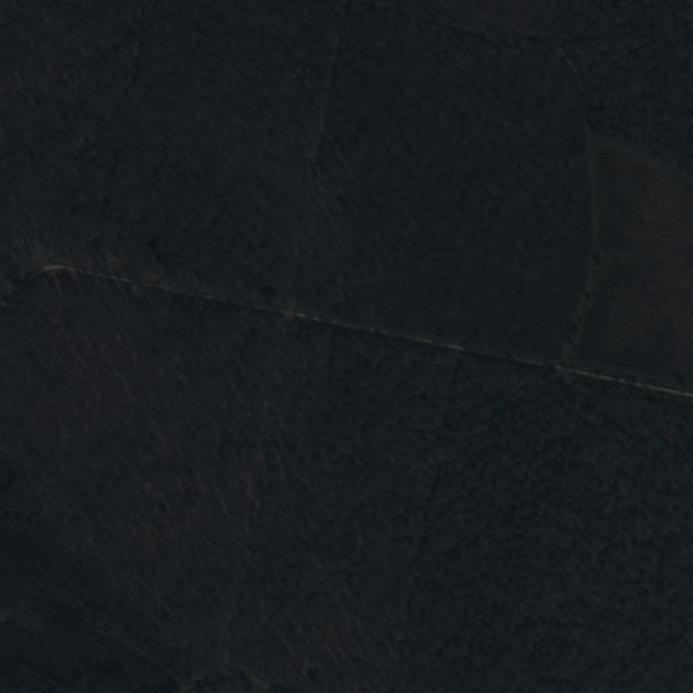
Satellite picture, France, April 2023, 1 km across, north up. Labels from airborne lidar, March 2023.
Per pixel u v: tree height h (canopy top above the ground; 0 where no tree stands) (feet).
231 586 82
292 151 84
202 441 88
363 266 73
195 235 76
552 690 84
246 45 83
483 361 84
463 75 87
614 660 82
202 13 82
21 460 93
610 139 75
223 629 81
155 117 83
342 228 84
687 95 78
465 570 81
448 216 79
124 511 87
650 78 73
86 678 64
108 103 80
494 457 91
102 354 94
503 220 94
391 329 77
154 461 79
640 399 89
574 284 54
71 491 91
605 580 81
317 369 97
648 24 86
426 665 79
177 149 89
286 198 76
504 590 81
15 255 76
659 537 82
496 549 68
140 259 91
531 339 79
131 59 81
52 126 84
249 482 102
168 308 78
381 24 87
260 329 82
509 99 77
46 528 77
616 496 89
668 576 79
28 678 87
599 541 107
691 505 65
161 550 80
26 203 80
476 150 86
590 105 73
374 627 65
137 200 79
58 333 89
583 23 84
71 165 89
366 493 89
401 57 85
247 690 66
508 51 84
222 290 69
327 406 75
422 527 44
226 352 96
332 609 81
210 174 73
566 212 82
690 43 75
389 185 79
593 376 0
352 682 85
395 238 75
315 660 84
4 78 91
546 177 80
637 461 57
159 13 84
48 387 89
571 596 65
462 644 80
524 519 71
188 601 85
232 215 80
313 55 86
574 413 86
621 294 0
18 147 90
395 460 89
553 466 69
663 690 79
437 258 84
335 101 87
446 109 83
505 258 85
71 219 89
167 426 78
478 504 67
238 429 84
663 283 0
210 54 84
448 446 86
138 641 92
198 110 92
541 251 92
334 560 75
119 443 75
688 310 0
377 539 78
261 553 72
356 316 65
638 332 0
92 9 67
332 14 78
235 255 80
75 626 19
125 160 79
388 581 80
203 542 83
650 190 0
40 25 86
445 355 80
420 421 62
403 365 57
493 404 61
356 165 78
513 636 86
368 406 64
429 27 68
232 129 75
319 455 79
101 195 77
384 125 78
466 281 77
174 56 85
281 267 80
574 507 84
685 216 0
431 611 74
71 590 84
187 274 60
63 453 90
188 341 95
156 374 90
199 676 58
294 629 77
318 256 86
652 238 0
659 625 82
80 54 82
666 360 0
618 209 0
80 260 86
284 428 81
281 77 87
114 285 82
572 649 87
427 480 42
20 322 79
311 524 84
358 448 64
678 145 81
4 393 88
